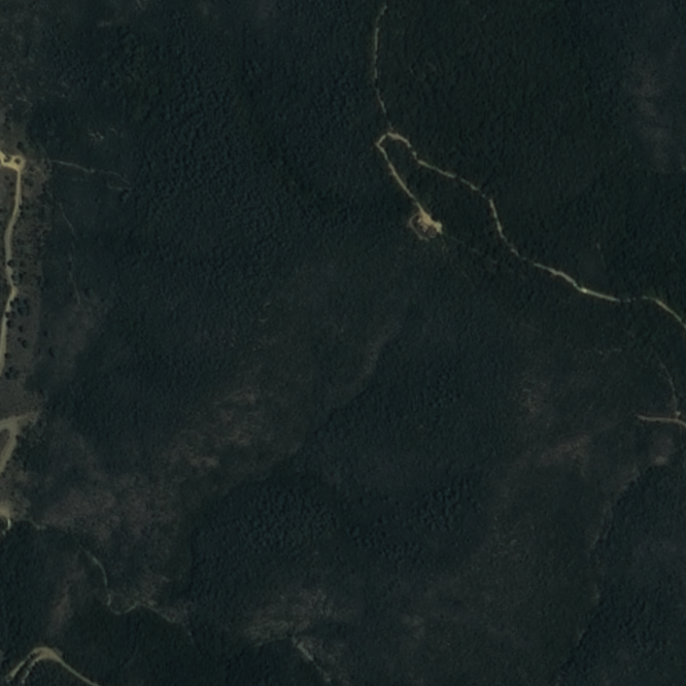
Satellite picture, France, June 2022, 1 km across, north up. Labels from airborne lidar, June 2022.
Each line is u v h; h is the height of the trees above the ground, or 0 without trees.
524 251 14
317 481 6
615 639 6
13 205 0
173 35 6
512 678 7
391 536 6
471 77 14
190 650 11
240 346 7
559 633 8
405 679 6
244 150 18
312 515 20
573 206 15
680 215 6
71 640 6
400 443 7
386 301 6
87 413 7
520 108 10
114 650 9
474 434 6
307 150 18
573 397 7
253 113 11
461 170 11
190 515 10
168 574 7
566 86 10
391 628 8
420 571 6
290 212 13
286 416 9
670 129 6
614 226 10
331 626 9
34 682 7
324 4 10
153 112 18
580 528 8
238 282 15
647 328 7
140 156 6
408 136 10
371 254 11
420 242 7
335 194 10
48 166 8
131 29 6
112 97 8
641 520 8
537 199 10
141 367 8
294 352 7
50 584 6
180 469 6
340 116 7
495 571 6
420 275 8
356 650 6
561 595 8
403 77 10
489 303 6
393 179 9
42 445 7
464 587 6
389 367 9
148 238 10
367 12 9
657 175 10
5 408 0
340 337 9
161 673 13
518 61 11
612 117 9
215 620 8
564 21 9
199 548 9
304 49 7
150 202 9
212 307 7
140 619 10
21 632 13
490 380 6
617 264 13
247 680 12
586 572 7
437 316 7
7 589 11
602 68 8
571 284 7
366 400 9
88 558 11
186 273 7
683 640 9
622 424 8
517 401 7
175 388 9
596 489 9
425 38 11
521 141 10
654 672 13
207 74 16
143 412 6
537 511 10
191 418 6
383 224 10
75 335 0
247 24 7
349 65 10
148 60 12
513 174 11
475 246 10
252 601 6
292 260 8
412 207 9
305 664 10
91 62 7
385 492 6
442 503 14
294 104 8
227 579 12
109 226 6
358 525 7
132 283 7
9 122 10
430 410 6
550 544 6
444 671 6
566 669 12
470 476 7
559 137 6
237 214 14
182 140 17
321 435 10
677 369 10
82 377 7
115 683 13
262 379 7
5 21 0
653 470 11
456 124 7
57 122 9
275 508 15
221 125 17
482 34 9
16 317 12
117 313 7
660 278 11
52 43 10
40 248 6
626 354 9
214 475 7
